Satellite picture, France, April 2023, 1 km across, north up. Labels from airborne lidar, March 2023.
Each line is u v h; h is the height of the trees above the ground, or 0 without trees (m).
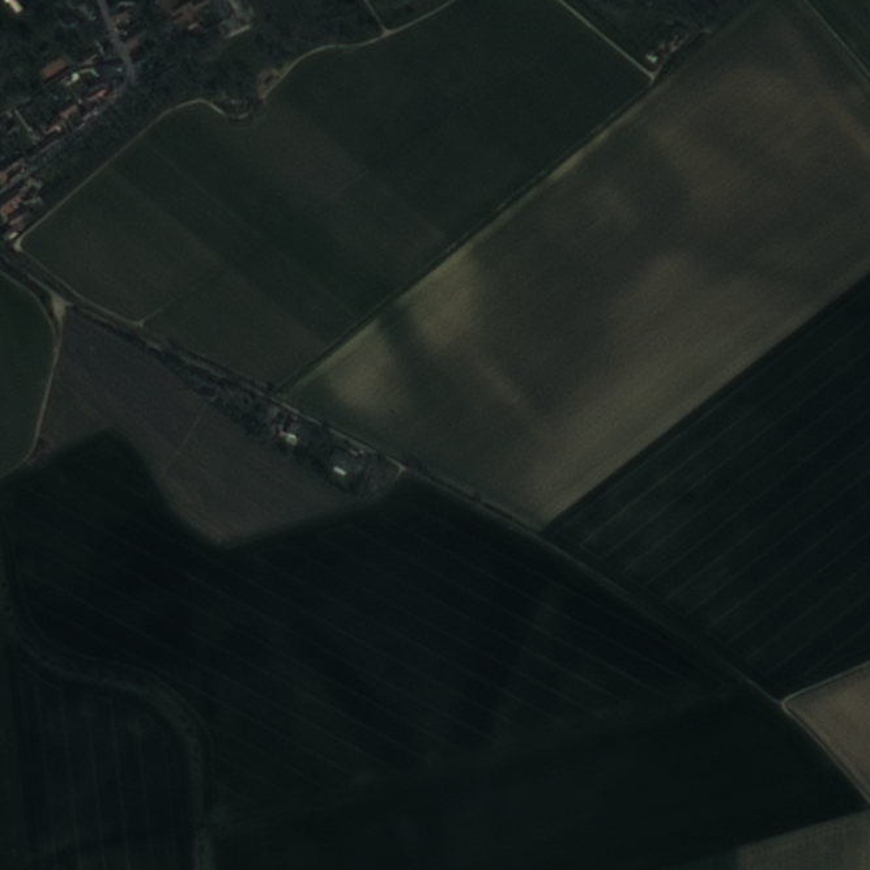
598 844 0
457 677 0
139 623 0
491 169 0
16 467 0
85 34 19
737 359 0
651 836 0
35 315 0
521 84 0
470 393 0
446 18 0
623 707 0
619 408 0
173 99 16
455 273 0
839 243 0
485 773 0
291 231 0
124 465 0
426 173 0
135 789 0
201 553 0
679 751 0
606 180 0
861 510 0
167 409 0
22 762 0
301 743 0
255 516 0
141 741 0
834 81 0
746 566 0
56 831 0
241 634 0
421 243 0
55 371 0
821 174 0
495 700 0
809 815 0
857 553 0
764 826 0
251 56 0
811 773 0
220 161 0
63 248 0
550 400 0
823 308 0
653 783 0
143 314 0
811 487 0
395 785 0
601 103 0
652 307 0
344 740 0
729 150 0
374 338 0
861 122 0
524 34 0
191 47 18
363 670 0
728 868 0
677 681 0
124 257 0
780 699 0
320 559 0
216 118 0
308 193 0
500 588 0
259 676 0
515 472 0
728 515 0
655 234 0
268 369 0
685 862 0
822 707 0
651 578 0
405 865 0
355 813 0
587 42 0
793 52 0
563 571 0
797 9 0
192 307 0
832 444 0
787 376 0
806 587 0
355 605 0
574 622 0
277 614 0
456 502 0
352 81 0
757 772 0
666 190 0
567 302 0
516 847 0
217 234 0
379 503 0
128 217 0
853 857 0
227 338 0
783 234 0
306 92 0
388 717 0
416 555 0
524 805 0
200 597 0
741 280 0
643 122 0
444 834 0
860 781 0
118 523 0
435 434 0
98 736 0
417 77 0
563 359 0
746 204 0
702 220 0
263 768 0
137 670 0
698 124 0
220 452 0
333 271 0
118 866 0
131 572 0
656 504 0
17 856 0
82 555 0
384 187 0
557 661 0
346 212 0
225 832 0
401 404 0
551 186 0
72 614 0
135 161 0
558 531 0
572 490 0
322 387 0
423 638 0
